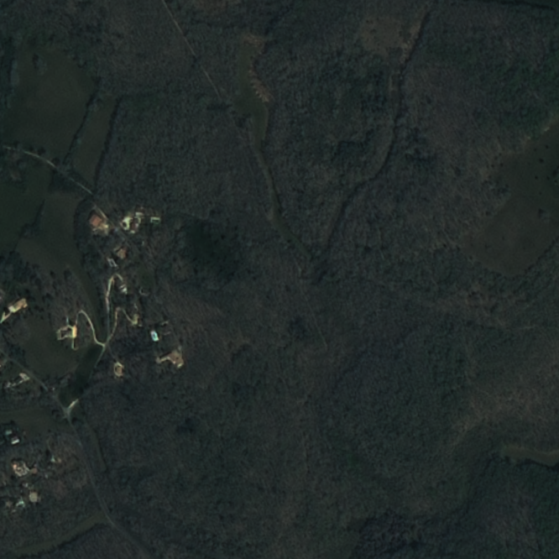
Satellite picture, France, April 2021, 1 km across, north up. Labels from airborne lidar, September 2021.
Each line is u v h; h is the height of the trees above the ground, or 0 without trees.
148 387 15
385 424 14
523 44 21
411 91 13
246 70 0
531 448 14
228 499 16
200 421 12
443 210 12
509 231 0
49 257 0
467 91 18
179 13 15
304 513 14
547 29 21
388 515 9
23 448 13
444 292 13
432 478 12
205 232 15
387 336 11
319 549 18
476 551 23
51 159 12
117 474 8
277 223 0
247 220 16
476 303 16
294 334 19
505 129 18
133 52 12
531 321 15
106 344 0
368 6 13
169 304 15
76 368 0
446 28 17
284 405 22
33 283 16
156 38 13
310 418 19
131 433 17
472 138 16
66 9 14
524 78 19
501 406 11
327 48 15
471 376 12
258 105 0
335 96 16
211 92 17
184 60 12
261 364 22
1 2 7
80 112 0
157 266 12
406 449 12
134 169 13
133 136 18
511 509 18
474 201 11
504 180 0
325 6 18
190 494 14
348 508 21
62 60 0
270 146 16
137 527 18
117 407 14
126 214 18
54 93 0
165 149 13
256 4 14
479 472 16
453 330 14
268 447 17
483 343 11
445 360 12
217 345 16
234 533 15
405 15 15
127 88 20
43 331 0
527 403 15
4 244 0
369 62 6
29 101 0
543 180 0
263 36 17
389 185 13
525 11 20
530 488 20
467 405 11
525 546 23
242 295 11
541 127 21
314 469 13
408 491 11
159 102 20
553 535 27
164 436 17
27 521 11
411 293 11
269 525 14
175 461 15
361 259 8
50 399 14
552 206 0
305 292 14
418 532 18
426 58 17
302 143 7
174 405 12
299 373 15
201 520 17
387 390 15
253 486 16
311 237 12
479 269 10
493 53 17
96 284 20
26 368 7
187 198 8
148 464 16
